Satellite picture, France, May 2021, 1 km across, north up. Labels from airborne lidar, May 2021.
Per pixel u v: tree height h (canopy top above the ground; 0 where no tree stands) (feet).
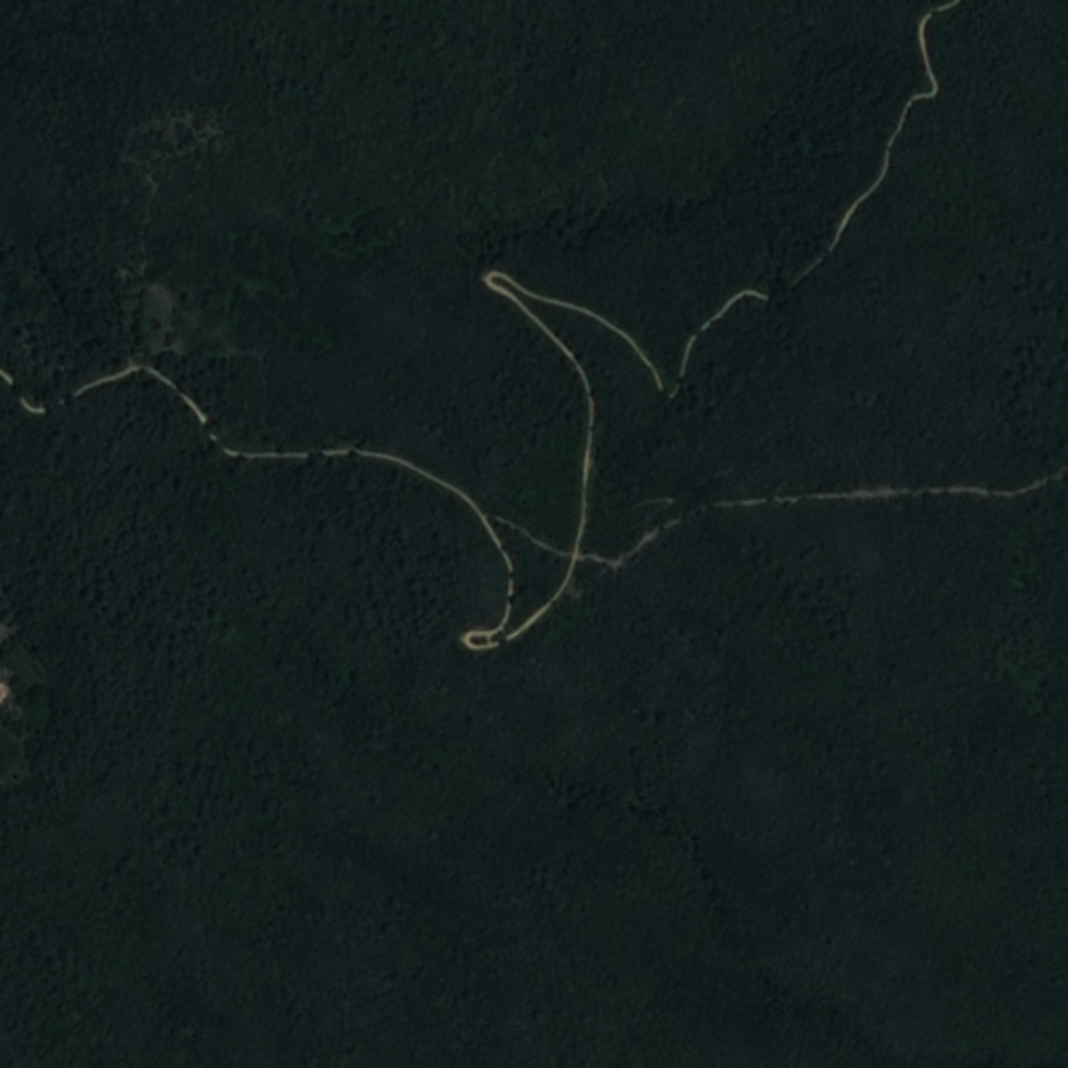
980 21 33
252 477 22
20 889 20
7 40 25
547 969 24
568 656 25
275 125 26
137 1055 39
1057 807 67
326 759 17
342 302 24
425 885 37
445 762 38
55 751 46
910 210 22
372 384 21
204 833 19
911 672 18
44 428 25
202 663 64
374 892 21
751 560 24
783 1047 28
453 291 27
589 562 26
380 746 39
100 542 26
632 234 43
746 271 34
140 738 63
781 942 35
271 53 27
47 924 30
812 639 33
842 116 28
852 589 19
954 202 23
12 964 34
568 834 42
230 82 30
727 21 32
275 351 20
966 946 18
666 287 38
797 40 40
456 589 36
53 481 29
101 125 24
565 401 34
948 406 29
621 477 46
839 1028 48
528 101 21
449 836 45
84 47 30
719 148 44
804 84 33
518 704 25
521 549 25
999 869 24
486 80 29
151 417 25
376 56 27
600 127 29
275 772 61
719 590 26
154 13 25
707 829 40
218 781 55
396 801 35
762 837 22
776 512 27
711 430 21
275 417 20
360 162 21
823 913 21
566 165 27
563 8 28
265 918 32
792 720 23
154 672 30
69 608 42
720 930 50
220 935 21
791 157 41
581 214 53
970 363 20
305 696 24
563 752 18
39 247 48
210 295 41
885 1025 39
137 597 37
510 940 26
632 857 26
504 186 18
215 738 31
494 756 29
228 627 52
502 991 25
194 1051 57
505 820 29
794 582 22
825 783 25
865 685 23
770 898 27
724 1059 31
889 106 25
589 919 43
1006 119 20
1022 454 34
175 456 19
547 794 46
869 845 30
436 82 25
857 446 20
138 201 35
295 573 20
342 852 30
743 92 42
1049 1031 21
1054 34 23
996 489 19
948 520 30
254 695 26
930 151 19
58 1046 58
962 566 30
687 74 35
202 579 49
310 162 23
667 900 35
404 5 28
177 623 19
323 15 28
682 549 18
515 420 27
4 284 38
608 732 32
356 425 23
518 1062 24
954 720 24
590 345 23
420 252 25
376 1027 23
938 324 20
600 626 24
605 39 29
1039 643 39
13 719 24
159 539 54
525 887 27
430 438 21
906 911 25
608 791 52
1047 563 18
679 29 42
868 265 19
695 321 24
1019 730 43
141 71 19
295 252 24
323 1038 32
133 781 23
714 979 39
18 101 28
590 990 20
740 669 24
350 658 28
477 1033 22
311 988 24
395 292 20
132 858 50
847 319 21
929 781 25
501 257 48
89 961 28
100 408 21
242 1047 20
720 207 34
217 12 30
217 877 20
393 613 38
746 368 31
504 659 18
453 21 32
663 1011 39
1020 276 26
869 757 22
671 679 25
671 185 51
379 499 27
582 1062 25
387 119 24
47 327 54
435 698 28
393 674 39
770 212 53
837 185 26
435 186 29
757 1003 65
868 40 20
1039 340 38
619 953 41
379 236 25
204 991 26
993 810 22
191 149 25
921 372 20
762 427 18
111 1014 32
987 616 29
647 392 33
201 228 23
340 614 25
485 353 19
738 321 23
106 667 52
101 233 31
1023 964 24
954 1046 24
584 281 21
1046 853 42
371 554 26
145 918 21
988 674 37
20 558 31
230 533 26
